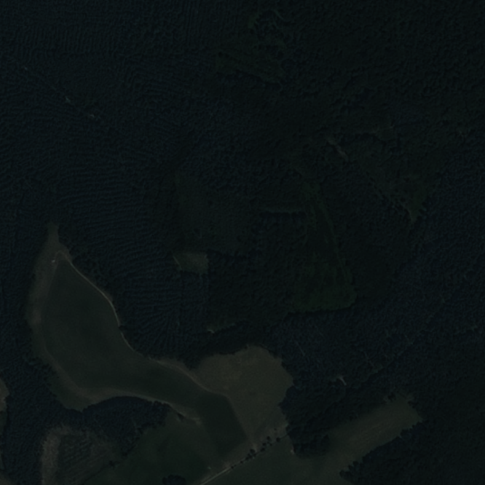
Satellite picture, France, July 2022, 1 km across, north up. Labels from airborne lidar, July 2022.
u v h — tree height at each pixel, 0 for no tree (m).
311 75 23
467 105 25
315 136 25
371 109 24
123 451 9
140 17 36
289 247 22
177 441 0
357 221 22
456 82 25
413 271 29
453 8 17
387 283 22
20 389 21
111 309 0
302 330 16
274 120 25
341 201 21
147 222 25
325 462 0
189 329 15
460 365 24
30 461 23
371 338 21
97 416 17
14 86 20
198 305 19
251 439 0
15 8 23
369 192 22
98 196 23
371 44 24
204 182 22
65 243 9
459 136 23
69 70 25
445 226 28
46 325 0
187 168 27
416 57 22
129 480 0
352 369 19
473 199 29
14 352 28
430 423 22
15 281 26
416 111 24
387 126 22
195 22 23
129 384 0
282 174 20
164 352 17
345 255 13
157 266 22
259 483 0
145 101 25
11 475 27
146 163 22
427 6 23
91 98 18
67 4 23
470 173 31
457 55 23
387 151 22
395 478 16
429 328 24
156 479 0
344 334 23
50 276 0
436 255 10
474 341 24
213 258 21
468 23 24
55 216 21
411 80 23
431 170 25
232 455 0
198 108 18
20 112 21
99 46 22
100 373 0
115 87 26
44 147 17
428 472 21
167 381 0
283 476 0
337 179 19
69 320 0
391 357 20
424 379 20
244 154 16
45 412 18
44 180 20
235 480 0
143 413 22
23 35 22
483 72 24
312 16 19
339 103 26
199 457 0
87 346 0
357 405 24
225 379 0
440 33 23
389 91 24
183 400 0
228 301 22
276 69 5
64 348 0
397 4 21
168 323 20
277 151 26
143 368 0
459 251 30
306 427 21
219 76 16
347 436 0
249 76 22
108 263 23
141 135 25
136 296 22
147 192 18
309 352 17
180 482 19
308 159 9
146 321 26
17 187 30
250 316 24
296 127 22
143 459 0
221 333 13
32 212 27
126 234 22
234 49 6
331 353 26
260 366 0
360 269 20
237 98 22
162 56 22
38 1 19
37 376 22
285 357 18
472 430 20
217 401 0
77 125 22
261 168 24
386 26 20
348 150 21
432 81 19
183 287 20
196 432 0
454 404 23
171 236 23
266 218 25
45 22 21
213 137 30
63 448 0
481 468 17
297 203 20
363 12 25
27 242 25
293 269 19
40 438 23
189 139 26
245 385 0
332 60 26
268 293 23
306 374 26
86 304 0
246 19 22
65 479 0
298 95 18
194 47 28
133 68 18
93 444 0
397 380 23
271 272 26
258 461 0
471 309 27
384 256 16
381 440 0
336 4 24
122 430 23
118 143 16
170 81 22
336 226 17
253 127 21
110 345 0
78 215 28
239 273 24
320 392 20
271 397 0
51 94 26
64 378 0
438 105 27
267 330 15
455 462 15
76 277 0
